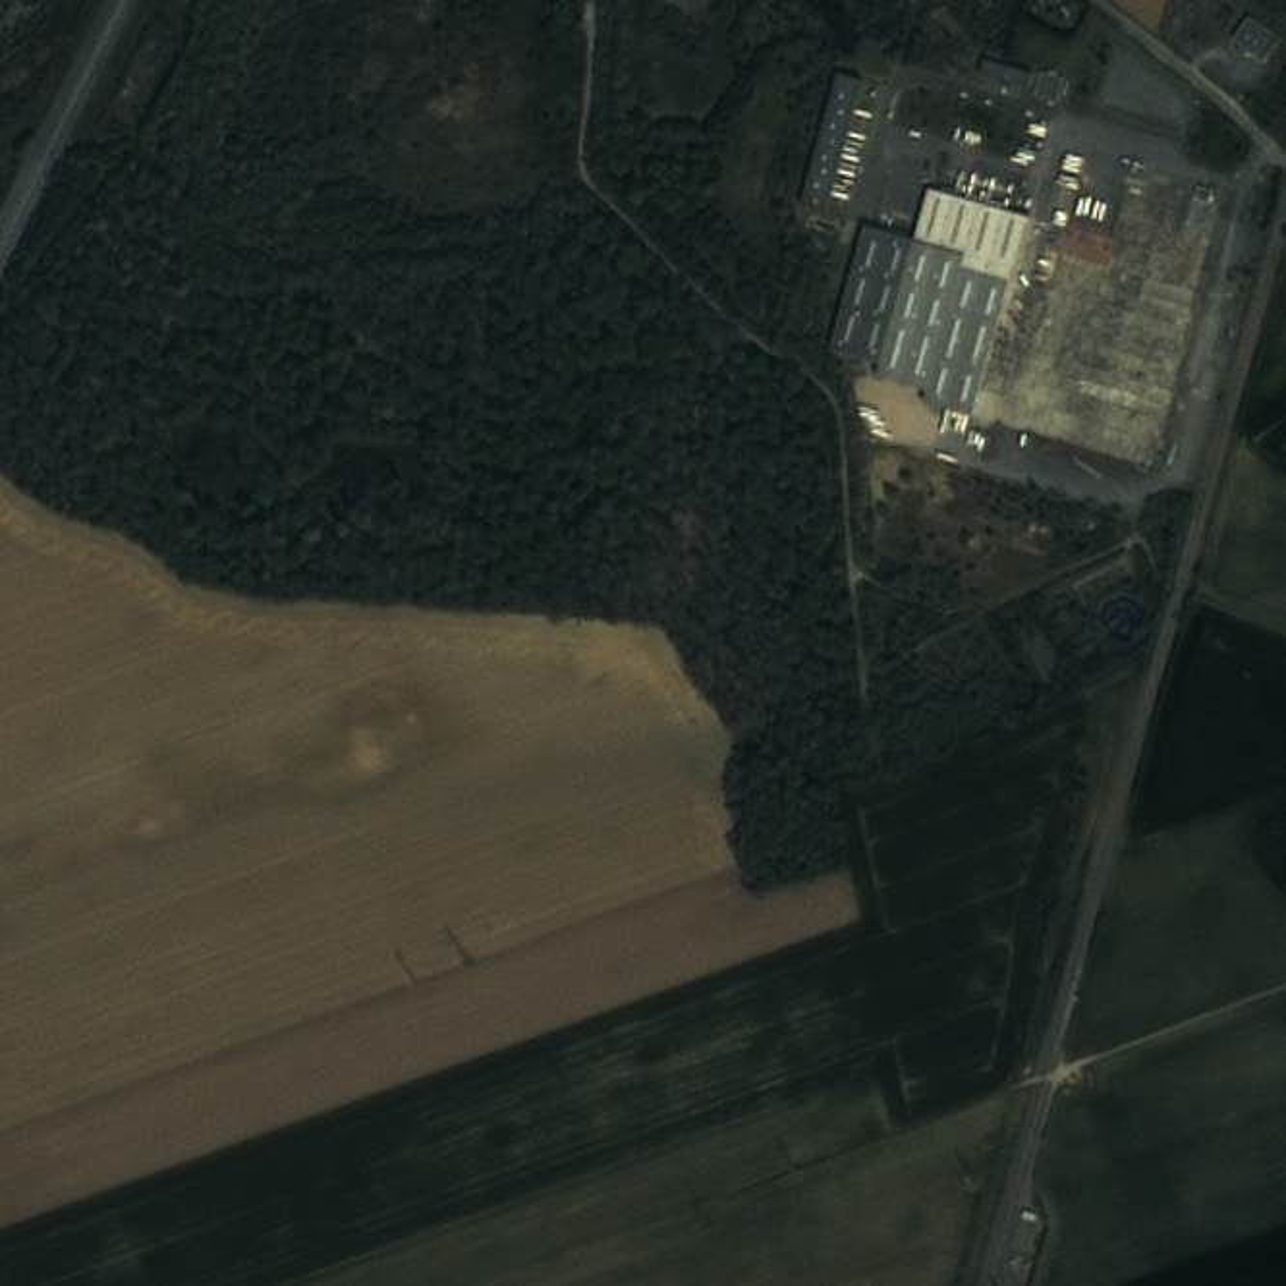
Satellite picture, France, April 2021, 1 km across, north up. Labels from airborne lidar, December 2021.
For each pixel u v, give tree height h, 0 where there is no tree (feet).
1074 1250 0
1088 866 29
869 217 0
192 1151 0
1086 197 0
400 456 0
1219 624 0
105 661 0
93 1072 0
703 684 66
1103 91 0
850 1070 0
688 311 59
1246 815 0
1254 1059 0
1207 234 0
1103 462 0
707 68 0
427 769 0
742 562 89
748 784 55
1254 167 0
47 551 0
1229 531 0
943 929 0
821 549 64
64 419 85
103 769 0
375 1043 0
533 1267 0
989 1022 0
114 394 98
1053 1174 0
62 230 22
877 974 0
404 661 0
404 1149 0
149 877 0
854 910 0
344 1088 0
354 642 0
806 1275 0
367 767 0
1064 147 0
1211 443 0
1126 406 0
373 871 0
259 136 23
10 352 86
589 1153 0
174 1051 0
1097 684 40
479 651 0
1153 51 0
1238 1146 0
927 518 0
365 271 72
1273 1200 0
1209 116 24
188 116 54
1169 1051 0
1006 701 19
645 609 68
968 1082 0
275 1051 0
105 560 0
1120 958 0
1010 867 0
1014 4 24
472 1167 0
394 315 78
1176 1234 0
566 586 78
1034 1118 0
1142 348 0
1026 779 0
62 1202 0
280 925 0
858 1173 0
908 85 0
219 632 0
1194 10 0
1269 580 0
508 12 0
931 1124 0
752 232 0
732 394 78
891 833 0
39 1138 0
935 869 0
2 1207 0
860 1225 0
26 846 0
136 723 0
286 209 65
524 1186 0
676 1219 0
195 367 83
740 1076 0
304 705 0
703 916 0
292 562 86
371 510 82
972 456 0
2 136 54
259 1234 0
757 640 88
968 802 0
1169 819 0
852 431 31
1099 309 0
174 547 58
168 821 0
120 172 39
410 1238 0
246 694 0
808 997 0
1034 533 0
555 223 33
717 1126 0
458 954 0
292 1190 0
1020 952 0
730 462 77
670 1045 0
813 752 44
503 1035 0
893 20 26
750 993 0
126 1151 0
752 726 47
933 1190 0
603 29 29
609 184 24
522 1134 0
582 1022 0
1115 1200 0
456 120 0
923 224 0
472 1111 0
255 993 0
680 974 0
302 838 0
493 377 98
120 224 91
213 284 56
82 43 0
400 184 0
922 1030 0
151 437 87
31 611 0
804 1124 0
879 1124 0
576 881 0
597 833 0
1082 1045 0
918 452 0
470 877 0
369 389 83
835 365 32
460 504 21
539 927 0
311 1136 0
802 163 0
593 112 20
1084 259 0
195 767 0
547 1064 0
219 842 0
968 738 21
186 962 0
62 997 0
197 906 0
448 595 64
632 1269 0
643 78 0
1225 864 0
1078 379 0
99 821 0
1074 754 0
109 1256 0
